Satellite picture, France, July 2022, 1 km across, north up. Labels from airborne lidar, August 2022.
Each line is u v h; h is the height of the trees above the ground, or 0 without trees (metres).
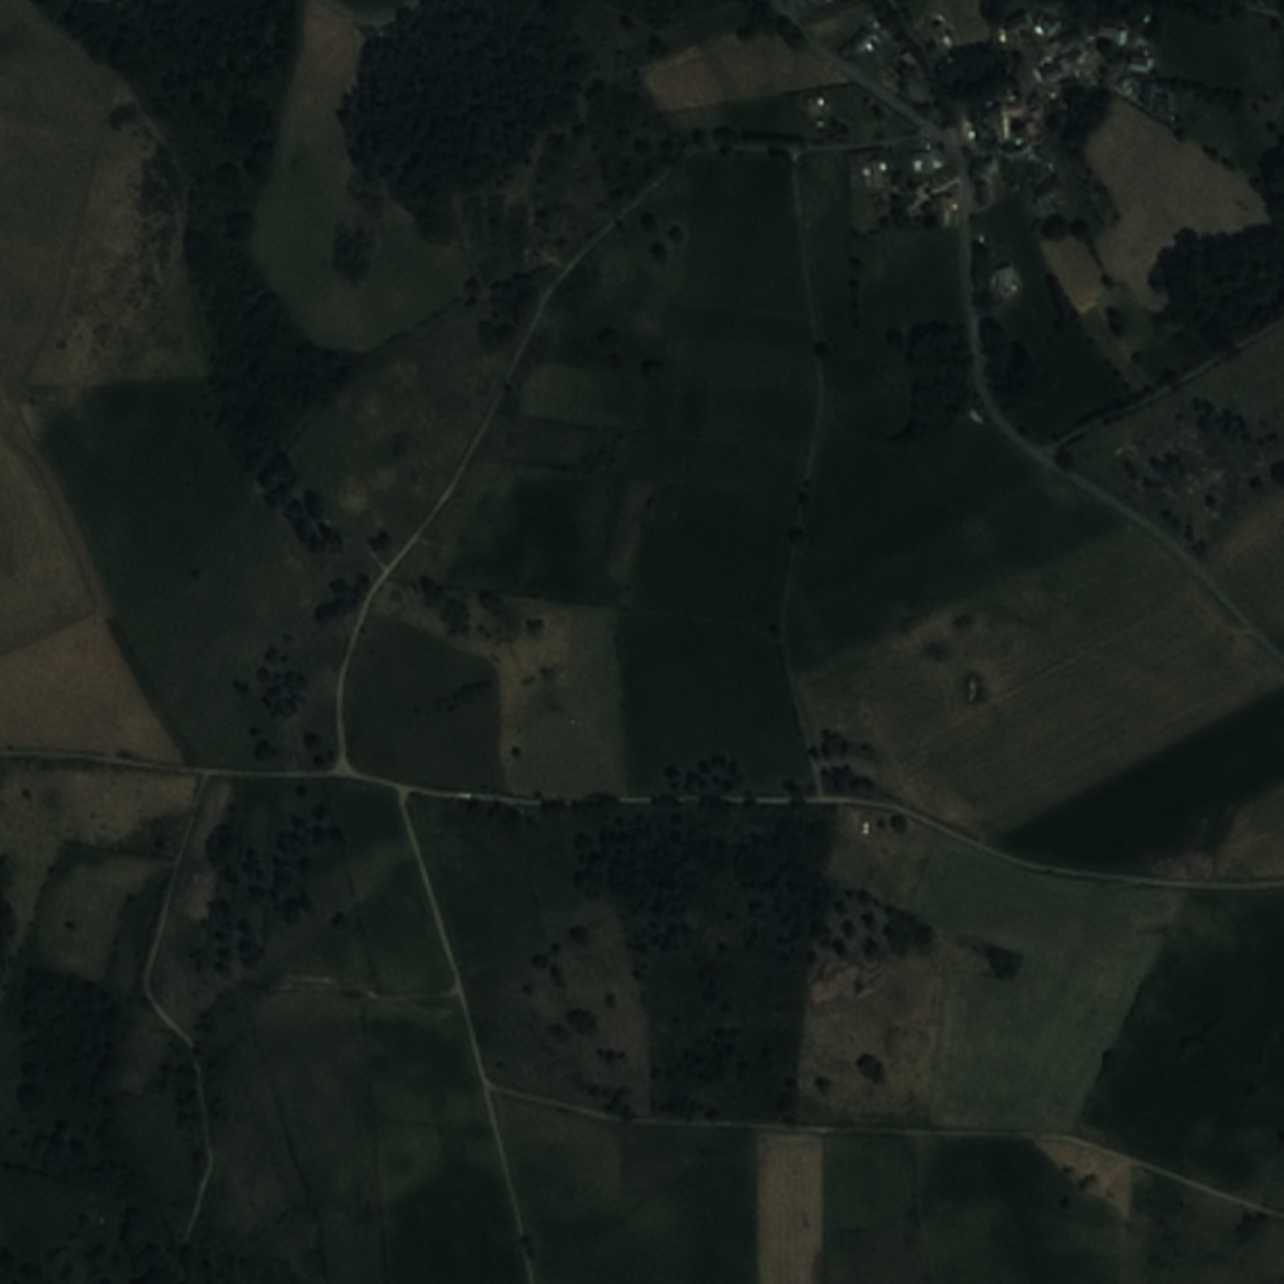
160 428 0
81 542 0
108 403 0
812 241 0
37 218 0
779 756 0
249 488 0
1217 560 0
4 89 0
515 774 0
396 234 0
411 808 0
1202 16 17
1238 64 0
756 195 0
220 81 13
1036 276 0
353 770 0
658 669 0
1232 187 0
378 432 0
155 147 0
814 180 0
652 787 0
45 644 0
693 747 0
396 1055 0
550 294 0
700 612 0
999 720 0
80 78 0
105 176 0
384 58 16
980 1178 0
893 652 0
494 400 0
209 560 0
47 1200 0
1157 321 7
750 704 0
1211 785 0
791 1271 0
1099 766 0
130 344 0
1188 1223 0
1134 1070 0
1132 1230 0
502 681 0
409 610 0
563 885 0
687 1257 0
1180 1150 0
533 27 10
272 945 0
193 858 0
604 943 0
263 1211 0
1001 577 0
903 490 0
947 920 0
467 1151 0
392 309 0
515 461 0
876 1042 0
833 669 0
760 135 9
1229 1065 0
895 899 0
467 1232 0
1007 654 0
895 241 0
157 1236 0
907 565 0
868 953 12
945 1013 0
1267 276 8
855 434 0
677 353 0
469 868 0
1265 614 0
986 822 0
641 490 0
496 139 11
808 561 0
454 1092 0
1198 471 0
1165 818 0
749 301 0
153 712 0
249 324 10
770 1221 0
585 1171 0
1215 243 20
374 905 0
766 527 0
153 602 0
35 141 0
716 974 6
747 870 11
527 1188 0
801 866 8
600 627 0
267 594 0
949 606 0
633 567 0
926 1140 0
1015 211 0
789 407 0
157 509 0
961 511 0
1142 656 0
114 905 0
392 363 0
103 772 0
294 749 0
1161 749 0
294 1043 0
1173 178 0
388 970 0
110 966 0
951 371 16
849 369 0
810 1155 0
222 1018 0
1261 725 0
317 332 0
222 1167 0
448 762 0
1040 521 0
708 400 0
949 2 0
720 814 10
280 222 0
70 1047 6
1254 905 0
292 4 10
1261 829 0
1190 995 0
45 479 0
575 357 0
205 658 0
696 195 0
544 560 0
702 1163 0
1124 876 0
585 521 0
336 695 0
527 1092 0
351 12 0
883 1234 0
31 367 0
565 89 8
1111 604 0
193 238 13
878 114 14
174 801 0
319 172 0
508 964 0
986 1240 0
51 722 0
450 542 0
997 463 0
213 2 8
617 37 0
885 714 0
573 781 0
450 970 0
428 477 0
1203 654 0
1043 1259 0
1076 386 0
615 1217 0
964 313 0
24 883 0
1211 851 0
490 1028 0
